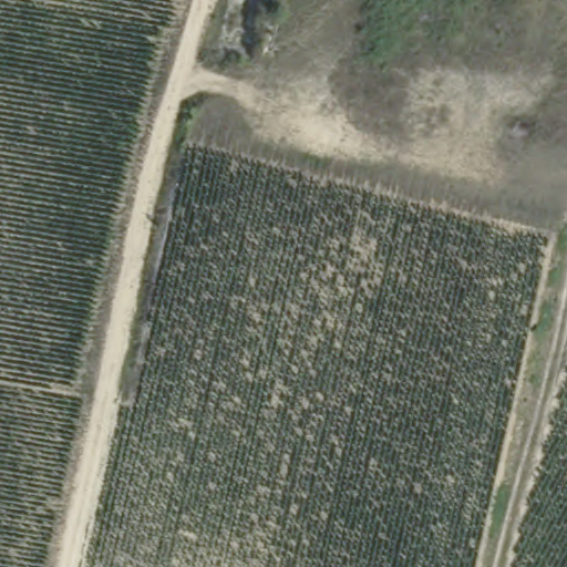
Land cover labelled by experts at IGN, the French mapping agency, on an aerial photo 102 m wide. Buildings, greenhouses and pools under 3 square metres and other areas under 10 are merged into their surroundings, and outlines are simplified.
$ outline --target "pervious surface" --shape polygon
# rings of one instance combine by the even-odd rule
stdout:
[[[204,24],[215,7],[215,0],[193,0],[137,179],[137,193],[124,237],[124,255],[120,277],[115,284],[111,321],[106,328],[93,408],[86,432],[82,436],[82,454],[73,478],[75,492],[71,496],[71,505],[66,512],[64,532],[60,534],[60,567],[84,567],[89,543],[95,529],[95,509],[109,463],[111,436],[117,425],[117,383],[128,350],[131,321],[137,308],[140,277],[151,233],[151,215],[162,184],[166,151],[173,137],[173,126],[182,100],[202,93],[206,91],[235,97],[241,106],[246,106],[244,117],[250,124],[252,133],[264,142],[286,140],[290,146],[323,157],[357,162],[390,159],[408,166],[419,166],[427,173],[439,173],[443,177],[467,177],[478,182],[492,166],[487,155],[496,151],[496,140],[501,137],[501,131],[505,126],[503,117],[527,113],[532,104],[543,100],[543,89],[554,82],[554,75],[525,75],[520,71],[514,71],[509,75],[494,75],[467,69],[456,73],[452,69],[441,66],[432,71],[421,69],[419,78],[408,84],[405,104],[412,111],[447,106],[450,120],[441,128],[434,128],[432,137],[427,140],[423,137],[425,124],[414,124],[410,133],[412,144],[394,146],[388,137],[361,133],[346,120],[341,100],[330,93],[330,82],[326,75],[310,75],[288,82],[288,89],[279,97],[270,97],[259,89],[252,89],[248,82],[233,80],[221,73],[204,69],[197,62],[197,49]]]

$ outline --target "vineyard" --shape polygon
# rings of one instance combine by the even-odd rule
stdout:
[[[567,377],[558,392],[558,408],[551,414],[551,434],[543,450],[538,481],[529,492],[527,514],[520,523],[520,538],[516,543],[516,558],[512,567],[567,567]]]
[[[405,202],[390,206],[388,197],[368,193],[363,188],[339,184],[319,186],[312,179],[306,179],[301,173],[288,173],[272,166],[264,166],[241,155],[224,155],[202,146],[188,146],[186,120],[190,120],[193,109],[204,104],[206,95],[202,93],[182,100],[173,126],[173,137],[166,151],[162,184],[151,215],[151,233],[140,277],[137,308],[131,321],[128,350],[117,383],[117,425],[111,436],[109,463],[95,509],[95,529],[89,543],[84,567],[476,567],[483,520],[492,507],[492,485],[501,458],[501,447],[512,410],[512,396],[520,370],[520,357],[527,339],[527,323],[534,312],[543,257],[540,250],[547,246],[547,237],[532,233],[498,235],[485,221],[463,219],[443,210],[432,210]]]
[[[71,505],[71,496],[75,492],[73,478],[82,454],[82,436],[86,432],[93,408],[106,328],[111,321],[115,284],[120,277],[124,255],[124,237],[137,193],[137,179],[193,0],[0,0],[0,567],[60,567],[60,534],[64,532],[66,512]]]

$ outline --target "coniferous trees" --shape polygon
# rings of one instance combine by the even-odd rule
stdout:
[[[264,44],[264,38],[255,29],[257,16],[277,13],[279,0],[244,0],[241,44],[246,47],[248,55],[255,55]]]

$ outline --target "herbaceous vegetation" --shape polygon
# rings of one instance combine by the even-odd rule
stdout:
[[[414,29],[401,42],[399,55],[392,55],[383,62],[370,62],[363,58],[359,47],[363,35],[354,31],[354,24],[359,22],[359,0],[279,0],[277,13],[257,16],[255,29],[264,38],[264,44],[255,55],[248,55],[246,47],[241,44],[244,0],[215,0],[215,7],[204,24],[197,49],[197,62],[204,69],[221,73],[233,80],[248,82],[252,89],[259,89],[270,97],[279,97],[288,89],[288,82],[310,75],[326,75],[330,82],[330,93],[341,100],[346,120],[361,133],[388,137],[394,146],[412,144],[410,133],[414,124],[425,124],[423,137],[427,140],[432,137],[434,128],[441,128],[450,120],[447,106],[412,111],[405,104],[408,84],[419,78],[421,69],[432,71],[441,66],[452,69],[456,73],[467,69],[494,75],[509,75],[514,71],[520,71],[525,75],[554,75],[554,82],[543,89],[543,100],[532,104],[527,113],[503,117],[505,126],[501,131],[501,137],[496,140],[496,151],[487,155],[492,166],[478,182],[467,177],[443,177],[439,173],[427,173],[419,166],[408,166],[390,159],[357,162],[323,157],[290,146],[286,140],[264,142],[252,133],[250,124],[244,117],[246,106],[241,106],[235,97],[206,91],[202,93],[206,95],[204,104],[193,109],[190,120],[186,120],[188,146],[202,146],[224,155],[241,155],[264,166],[272,166],[288,173],[301,173],[306,179],[312,179],[319,186],[339,184],[363,188],[368,193],[388,197],[390,206],[405,202],[432,210],[443,210],[463,219],[485,221],[498,235],[532,233],[547,237],[547,246],[540,250],[543,257],[534,312],[527,323],[527,339],[520,357],[520,370],[512,396],[512,410],[501,447],[501,458],[492,485],[492,507],[483,520],[476,567],[512,567],[516,558],[516,543],[520,538],[520,523],[527,514],[529,492],[538,481],[543,450],[551,434],[551,414],[558,408],[558,392],[567,377],[567,0],[434,0],[432,7],[419,13]]]

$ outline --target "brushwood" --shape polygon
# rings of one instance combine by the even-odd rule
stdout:
[[[399,55],[401,42],[414,29],[419,13],[432,7],[434,0],[359,0],[359,22],[354,24],[354,31],[363,35],[359,47],[363,58],[370,62],[383,62],[392,55]]]

